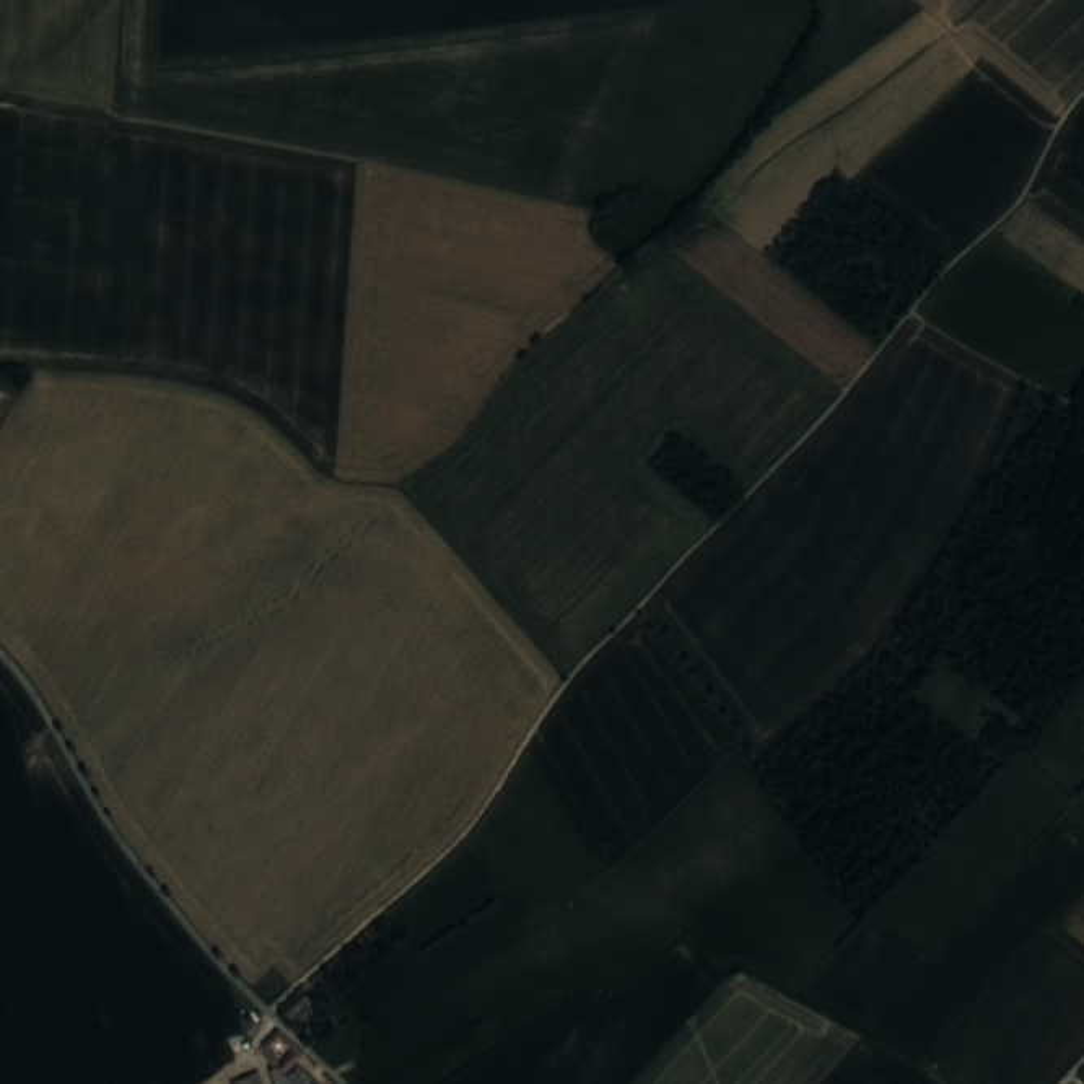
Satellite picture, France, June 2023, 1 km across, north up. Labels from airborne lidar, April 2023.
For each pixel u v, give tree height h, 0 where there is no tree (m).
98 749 0
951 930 0
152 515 0
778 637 0
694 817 0
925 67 0
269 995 0
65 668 0
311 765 0
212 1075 0
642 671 0
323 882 0
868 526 0
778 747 11
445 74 0
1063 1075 0
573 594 0
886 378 0
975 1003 0
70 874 0
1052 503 15
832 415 0
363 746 0
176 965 0
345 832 0
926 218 0
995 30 0
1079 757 0
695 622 0
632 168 0
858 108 0
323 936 0
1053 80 0
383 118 0
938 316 0
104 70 0
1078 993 0
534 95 0
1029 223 0
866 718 16
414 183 0
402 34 0
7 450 0
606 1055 0
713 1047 0
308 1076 0
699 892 0
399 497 0
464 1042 0
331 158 0
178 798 0
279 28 0
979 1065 0
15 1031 0
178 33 0
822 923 0
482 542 0
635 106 0
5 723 0
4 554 0
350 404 0
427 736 0
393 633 0
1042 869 0
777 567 0
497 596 0
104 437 0
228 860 0
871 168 0
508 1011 0
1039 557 14
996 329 0
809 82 0
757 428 0
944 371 0
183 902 0
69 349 0
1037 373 0
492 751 0
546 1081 0
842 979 0
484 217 0
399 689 0
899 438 0
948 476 0
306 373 0
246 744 0
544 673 0
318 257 0
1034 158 0
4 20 0
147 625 0
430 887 0
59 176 0
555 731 0
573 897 0
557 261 0
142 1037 0
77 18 0
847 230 12
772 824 0
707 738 0
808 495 0
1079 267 0
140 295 0
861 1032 0
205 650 0
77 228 0
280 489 0
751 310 0
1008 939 0
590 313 0
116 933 0
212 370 0
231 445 0
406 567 0
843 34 0
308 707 0
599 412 0
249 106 0
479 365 0
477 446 0
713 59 0
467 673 0
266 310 0
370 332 0
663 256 0
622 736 0
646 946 0
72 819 0
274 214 0
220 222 0
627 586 0
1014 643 15
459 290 0
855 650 0
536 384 0
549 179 0
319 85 0
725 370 0
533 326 0
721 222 0
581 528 0
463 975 0
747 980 0
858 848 12
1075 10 0
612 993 0
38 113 0
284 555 0
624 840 0
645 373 0
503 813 0
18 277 0
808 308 0
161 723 0
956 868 0
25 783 0
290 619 0
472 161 0
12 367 9
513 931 0
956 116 0
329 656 0
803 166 0
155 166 0
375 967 10
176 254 0
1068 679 15
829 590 0
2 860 0
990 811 0
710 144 0
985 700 0
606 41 0
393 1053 0
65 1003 0
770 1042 0
